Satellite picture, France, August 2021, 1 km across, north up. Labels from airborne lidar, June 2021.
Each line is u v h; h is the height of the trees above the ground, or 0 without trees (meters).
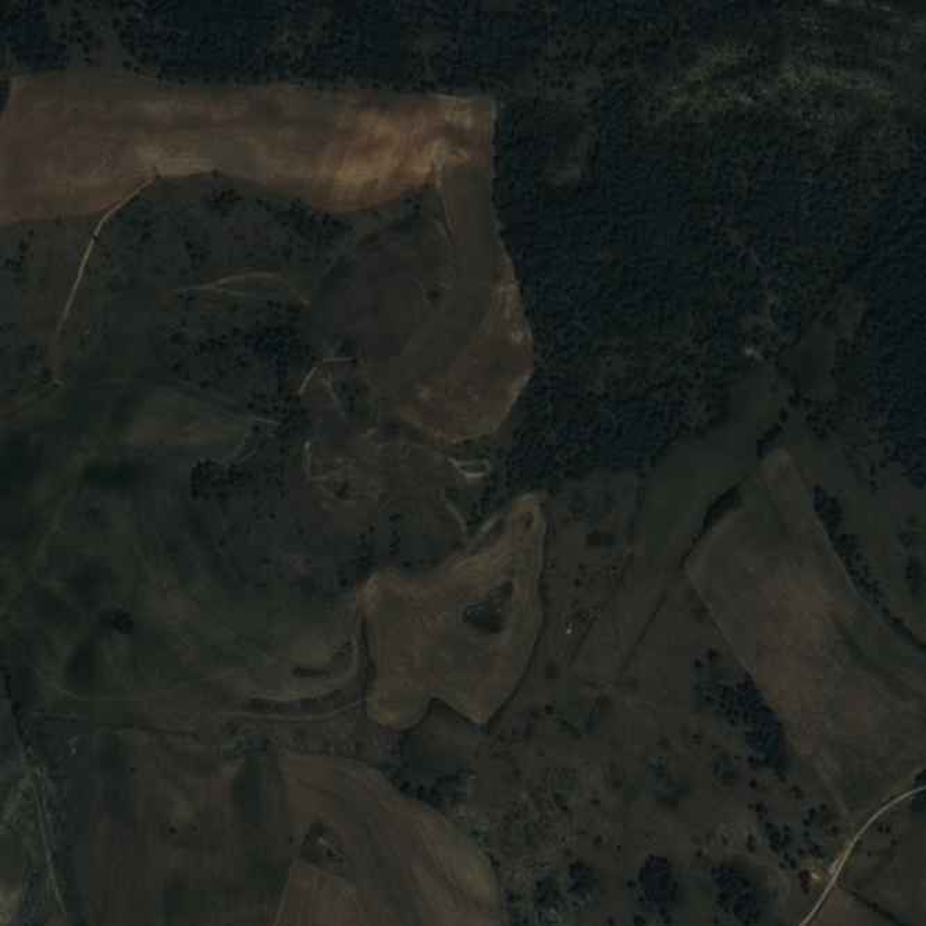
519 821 0
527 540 0
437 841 0
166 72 10
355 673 0
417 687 0
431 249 0
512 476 11
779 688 0
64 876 0
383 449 0
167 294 0
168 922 0
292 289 0
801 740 0
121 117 0
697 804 0
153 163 0
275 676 0
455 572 0
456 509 0
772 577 0
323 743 0
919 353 8
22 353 0
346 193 0
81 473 0
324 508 0
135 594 0
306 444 0
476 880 0
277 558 0
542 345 8
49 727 0
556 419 11
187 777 0
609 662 0
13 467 0
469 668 0
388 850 0
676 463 0
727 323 15
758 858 0
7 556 0
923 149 9
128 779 0
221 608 0
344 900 0
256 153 0
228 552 0
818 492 9
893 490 0
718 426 10
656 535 0
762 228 7
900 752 0
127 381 0
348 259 0
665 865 12
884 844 0
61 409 0
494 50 10
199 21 12
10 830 0
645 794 0
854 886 0
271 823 0
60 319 0
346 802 0
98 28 0
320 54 7
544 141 7
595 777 0
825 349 0
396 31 6
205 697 0
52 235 0
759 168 13
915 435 7
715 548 0
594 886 6
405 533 0
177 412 0
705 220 13
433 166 0
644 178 8
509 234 8
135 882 0
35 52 8
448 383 0
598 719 0
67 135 0
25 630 0
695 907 0
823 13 8
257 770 0
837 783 0
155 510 0
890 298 9
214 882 0
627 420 13
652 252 12
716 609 0
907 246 11
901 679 0
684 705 0
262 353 7
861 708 0
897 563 0
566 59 12
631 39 10
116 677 0
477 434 0
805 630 0
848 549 8
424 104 0
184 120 0
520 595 0
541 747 0
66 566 0
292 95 0
